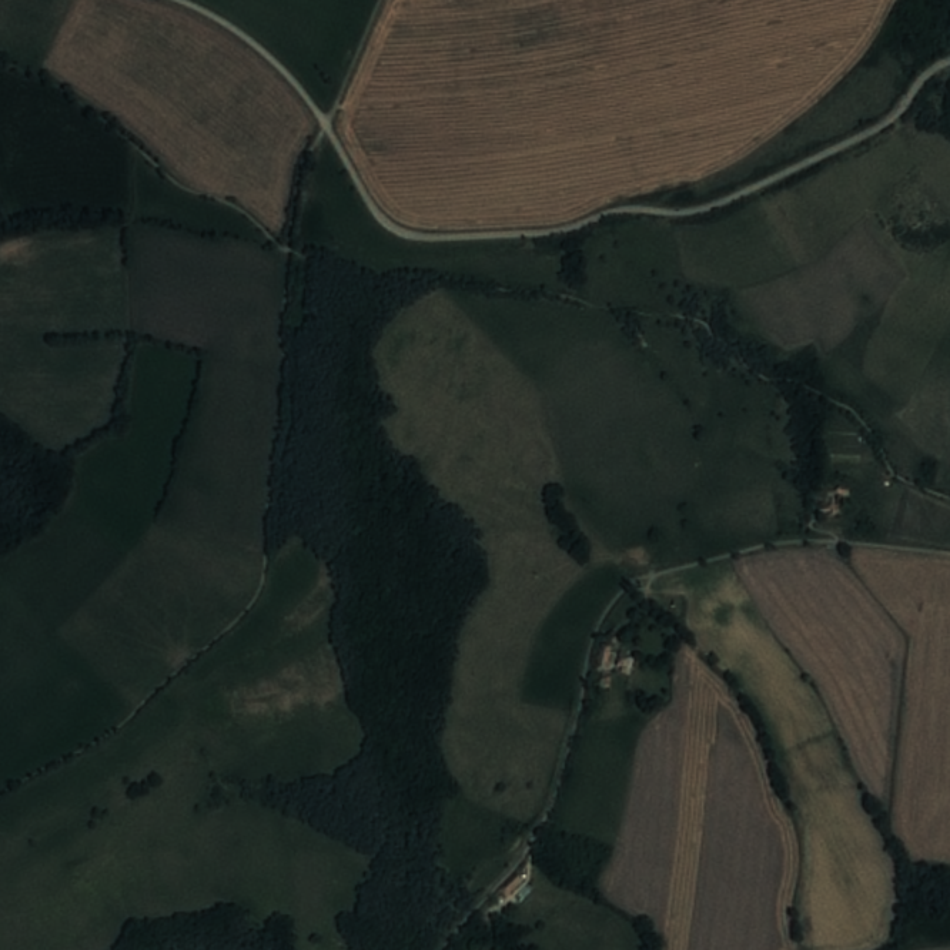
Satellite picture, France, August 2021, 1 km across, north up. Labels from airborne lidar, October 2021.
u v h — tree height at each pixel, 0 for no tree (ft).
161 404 0
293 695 0
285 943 37
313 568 0
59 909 0
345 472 54
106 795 0
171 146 0
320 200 0
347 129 0
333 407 49
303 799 35
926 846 0
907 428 0
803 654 0
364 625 61
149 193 0
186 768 0
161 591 0
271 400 0
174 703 0
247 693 0
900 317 0
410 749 53
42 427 0
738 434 0
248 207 0
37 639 0
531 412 0
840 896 0
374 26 0
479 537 37
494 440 0
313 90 0
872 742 0
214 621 0
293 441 38
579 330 0
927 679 0
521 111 0
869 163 0
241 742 0
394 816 49
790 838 0
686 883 0
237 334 0
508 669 0
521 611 0
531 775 0
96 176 0
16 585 0
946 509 0
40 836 0
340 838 32
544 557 0
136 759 0
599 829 0
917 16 18
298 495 34
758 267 0
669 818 0
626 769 0
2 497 52
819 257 0
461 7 0
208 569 0
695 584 0
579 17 0
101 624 0
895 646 0
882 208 0
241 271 0
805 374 24
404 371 0
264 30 0
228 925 58
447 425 0
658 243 0
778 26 0
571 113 0
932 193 0
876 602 0
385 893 43
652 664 36
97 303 0
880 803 52
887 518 0
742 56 0
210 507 0
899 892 47
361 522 60
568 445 0
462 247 0
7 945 0
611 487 0
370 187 0
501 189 0
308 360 47
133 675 0
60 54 0
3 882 0
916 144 0
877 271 0
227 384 0
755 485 0
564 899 0
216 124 0
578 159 0
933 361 0
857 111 0
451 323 0
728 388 0
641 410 0
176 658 0
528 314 0
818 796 0
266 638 0
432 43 0
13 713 0
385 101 0
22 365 0
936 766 0
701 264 0
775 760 33
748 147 0
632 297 0
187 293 0
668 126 0
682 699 0
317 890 0
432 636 61
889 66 0
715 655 31
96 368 0
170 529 0
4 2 0
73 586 0
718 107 0
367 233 0
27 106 0
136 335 35
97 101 0
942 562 0
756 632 0
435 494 38
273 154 0
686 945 0
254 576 0
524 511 0
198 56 0
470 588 53
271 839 0
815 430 45
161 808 0
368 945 44
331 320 49
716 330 28
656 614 53
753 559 0
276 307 0
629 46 0
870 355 0
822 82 0
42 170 0
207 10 0
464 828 0
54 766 33
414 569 60
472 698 0
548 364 0
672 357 0
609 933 0
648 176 0
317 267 34
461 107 0
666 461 0
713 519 0
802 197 0
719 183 0
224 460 0
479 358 0
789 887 0
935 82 30
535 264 0
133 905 0
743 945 0
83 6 0
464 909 29
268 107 0
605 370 0
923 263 0
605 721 0
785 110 0
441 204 0
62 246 0
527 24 0
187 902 0
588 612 0
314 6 0
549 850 61
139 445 0
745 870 0
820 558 0
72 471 42
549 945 0
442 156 0
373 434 70
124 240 33
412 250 0
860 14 0
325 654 0
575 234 31
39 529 51
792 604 0
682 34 0
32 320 0
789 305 0
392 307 52
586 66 0
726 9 0
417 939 43
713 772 0
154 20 0
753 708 51
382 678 71
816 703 0
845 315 0
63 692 0
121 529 0
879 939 0
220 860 0
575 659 0
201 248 0
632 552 0
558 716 0
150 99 0
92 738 0
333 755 0
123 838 0
